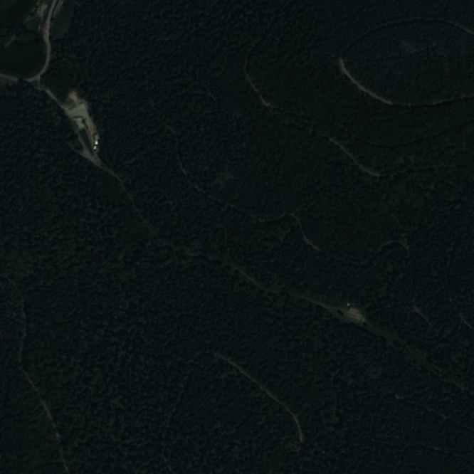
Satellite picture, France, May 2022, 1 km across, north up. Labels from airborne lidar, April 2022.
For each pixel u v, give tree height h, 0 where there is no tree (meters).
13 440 15
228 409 15
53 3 0
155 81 19
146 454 30
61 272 28
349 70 11
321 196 17
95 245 28
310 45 9
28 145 30
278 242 34
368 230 14
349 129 15
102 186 8
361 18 17
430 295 22
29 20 0
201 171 25
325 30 16
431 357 29
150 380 18
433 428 24
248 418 22
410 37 21
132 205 16
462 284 21
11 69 0
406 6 21
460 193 16
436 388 26
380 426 29
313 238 19
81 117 0
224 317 17
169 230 26
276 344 15
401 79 13
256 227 28
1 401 15
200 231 26
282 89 13
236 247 16
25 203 22
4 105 22
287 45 17
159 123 26
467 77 17
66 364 27
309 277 25
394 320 34
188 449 29
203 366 18
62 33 0
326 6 14
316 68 7
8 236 21
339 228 12
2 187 18
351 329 20
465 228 16
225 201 22
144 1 30
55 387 24
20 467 15
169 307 18
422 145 22
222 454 14
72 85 7
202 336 21
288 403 20
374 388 27
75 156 20
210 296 8
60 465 19
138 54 28
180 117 30
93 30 25
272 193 19
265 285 17
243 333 13
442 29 18
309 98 16
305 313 20
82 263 28
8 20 0
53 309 28
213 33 23
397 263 24
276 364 21
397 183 24
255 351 16
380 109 12
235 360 17
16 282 24
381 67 18
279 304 20
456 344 32
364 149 17
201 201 28
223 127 30
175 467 15
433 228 27
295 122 20
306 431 23
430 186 28
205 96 27
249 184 21
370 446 33
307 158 20
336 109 16
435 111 14
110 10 30
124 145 22
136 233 7
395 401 23
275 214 24
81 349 31
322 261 24
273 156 17
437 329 20
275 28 16
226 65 20
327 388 19
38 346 24
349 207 14
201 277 13
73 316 33
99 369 27
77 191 33
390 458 29
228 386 21
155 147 18
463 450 29
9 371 18
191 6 30
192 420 14
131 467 29
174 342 19
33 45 0
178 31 25
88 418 24
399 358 30
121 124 23
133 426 21
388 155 18
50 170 24
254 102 18
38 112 30
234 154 27
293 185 27
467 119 15
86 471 29
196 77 25
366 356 28
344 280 28
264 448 15
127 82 24
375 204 13
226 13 24
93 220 25
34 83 0
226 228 18
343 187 23
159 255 24
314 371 15
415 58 14
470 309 27
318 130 17
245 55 18
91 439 29
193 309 16
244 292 16
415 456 14
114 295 31
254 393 27
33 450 17
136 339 36
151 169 24
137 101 23
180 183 24
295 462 21
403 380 34
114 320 37
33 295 30
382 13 19
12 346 21
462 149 19
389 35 18
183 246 17
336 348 31
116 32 27
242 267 16
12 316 7
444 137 23
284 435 18
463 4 17
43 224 29
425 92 18
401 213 15
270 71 11
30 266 33
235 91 18
